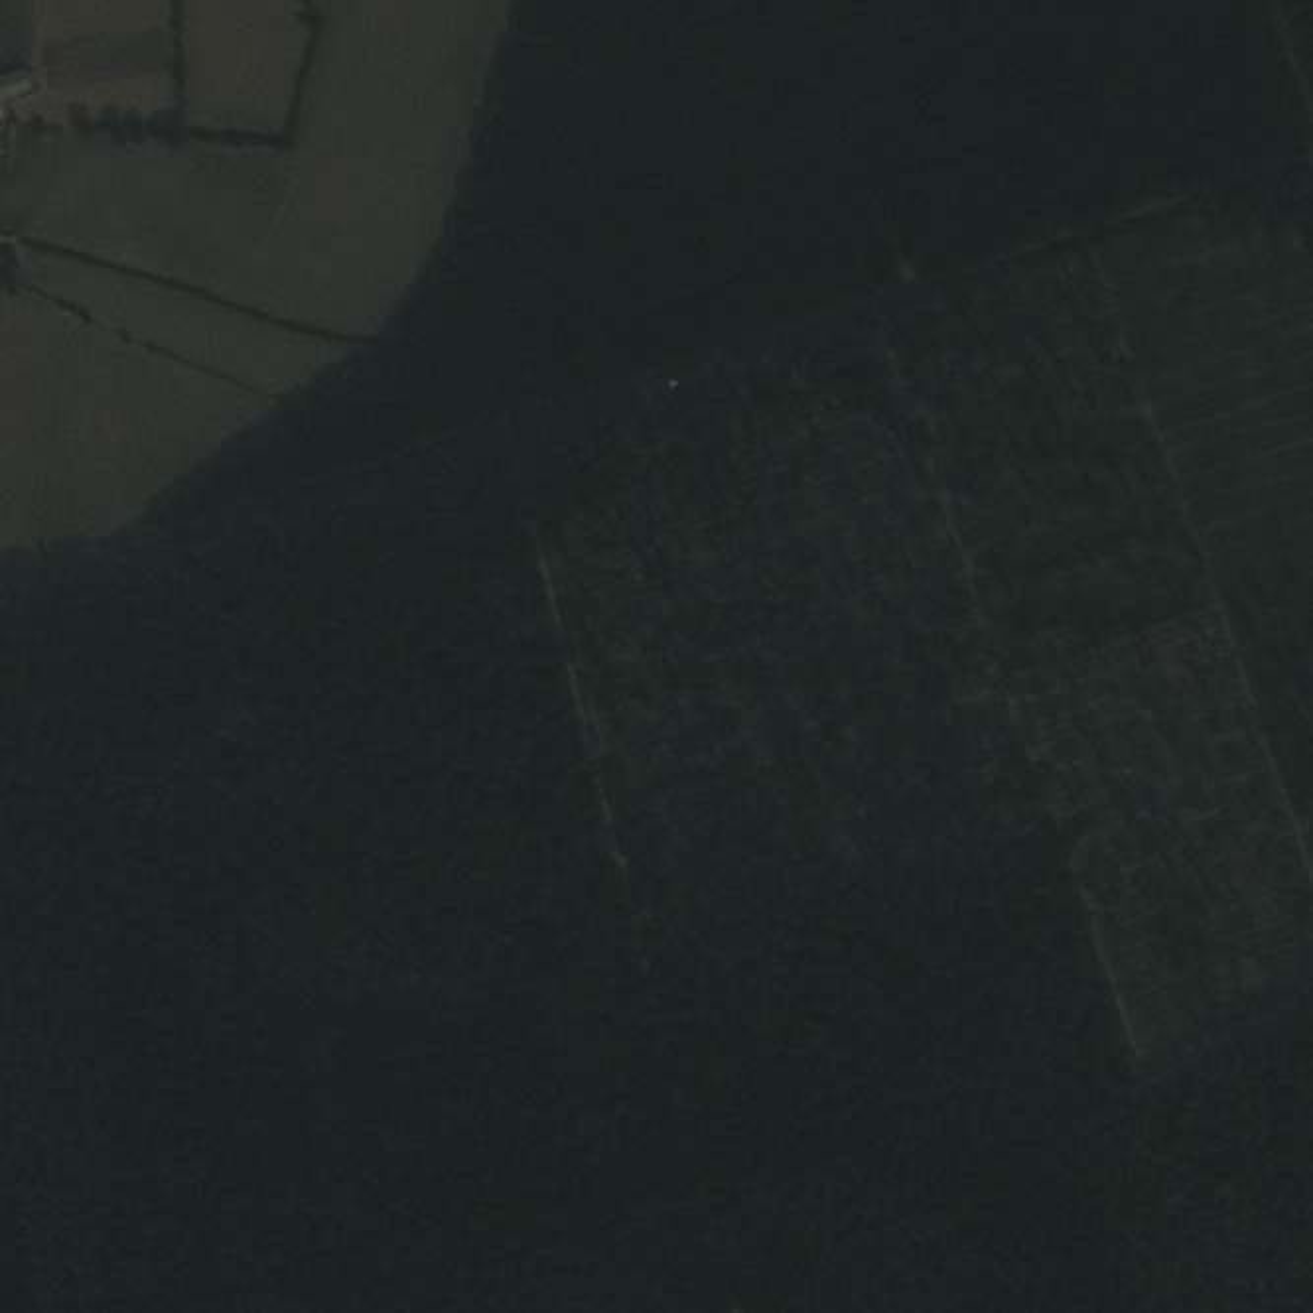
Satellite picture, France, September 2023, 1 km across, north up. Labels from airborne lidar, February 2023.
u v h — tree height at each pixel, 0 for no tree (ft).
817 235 56
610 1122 94
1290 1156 86
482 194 62
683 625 106
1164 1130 83
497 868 102
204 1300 108
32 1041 104
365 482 86
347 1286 123
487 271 65
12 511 0
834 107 56
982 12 64
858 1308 102
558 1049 101
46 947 115
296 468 62
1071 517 117
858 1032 102
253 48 0
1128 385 0
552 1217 100
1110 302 0
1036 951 31
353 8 0
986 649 0
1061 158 72
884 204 61
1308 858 0
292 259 0
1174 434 0
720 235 62
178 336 0
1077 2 66
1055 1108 85
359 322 0
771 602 108
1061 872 110
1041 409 0
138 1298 110
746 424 104
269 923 82
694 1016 99
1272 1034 98
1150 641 100
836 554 0
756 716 0
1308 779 0
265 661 110
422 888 106
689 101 63
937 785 100
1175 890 0
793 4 56
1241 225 106
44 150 0
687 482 103
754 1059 116
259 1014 105
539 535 100
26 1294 28
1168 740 103
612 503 114
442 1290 114
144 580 113
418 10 0
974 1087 98
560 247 57
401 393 62
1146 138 66
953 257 61
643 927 90
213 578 110
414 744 109
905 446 96
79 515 0
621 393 64
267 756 110
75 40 0
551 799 83
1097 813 111
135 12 0
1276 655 0
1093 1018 92
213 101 0
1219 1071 100
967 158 61
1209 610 0
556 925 104
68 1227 112
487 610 95
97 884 94
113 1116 116
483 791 91
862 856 108
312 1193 109
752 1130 102
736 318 65
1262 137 67
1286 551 0
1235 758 0
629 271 60
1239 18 61
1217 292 0
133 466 0
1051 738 0
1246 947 0
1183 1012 102
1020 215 61
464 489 95
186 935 80
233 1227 93
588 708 0
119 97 0
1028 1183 112
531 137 59
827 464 0
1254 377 0
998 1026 101
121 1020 104
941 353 106
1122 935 0
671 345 65
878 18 50
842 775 99
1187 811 0
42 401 0
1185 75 62
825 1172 95
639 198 60
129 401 0
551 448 91
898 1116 109
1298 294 0
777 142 59
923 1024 113
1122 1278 95
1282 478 0
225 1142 115
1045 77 67
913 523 113
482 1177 109
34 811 117
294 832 96
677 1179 103
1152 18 64
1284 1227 75
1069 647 109
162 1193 112
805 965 116
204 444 0
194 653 104
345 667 111
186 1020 107
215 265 0
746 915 100
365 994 112
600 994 96
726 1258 104
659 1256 102
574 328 61
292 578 98
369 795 112
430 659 112
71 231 0
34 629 83
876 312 76
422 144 0
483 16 0
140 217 0
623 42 60
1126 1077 98
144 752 104
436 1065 113
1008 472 112
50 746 117
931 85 49
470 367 65
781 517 0
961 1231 105
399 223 0
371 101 0
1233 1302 81
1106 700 0
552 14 63
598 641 105
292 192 0
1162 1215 73
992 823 109
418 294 29
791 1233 113
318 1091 114
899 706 112
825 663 113
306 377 0
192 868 100
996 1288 107
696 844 117
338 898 93
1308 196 106
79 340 0
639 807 91
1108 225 0
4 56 0
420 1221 118
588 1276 116
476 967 92
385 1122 118
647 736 0
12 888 110
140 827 95
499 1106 113
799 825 113
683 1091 96
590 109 62
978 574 0
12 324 0
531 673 88
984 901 38
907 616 0
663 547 102
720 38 60
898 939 114
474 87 0
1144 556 105
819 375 94
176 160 0
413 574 115
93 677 119
